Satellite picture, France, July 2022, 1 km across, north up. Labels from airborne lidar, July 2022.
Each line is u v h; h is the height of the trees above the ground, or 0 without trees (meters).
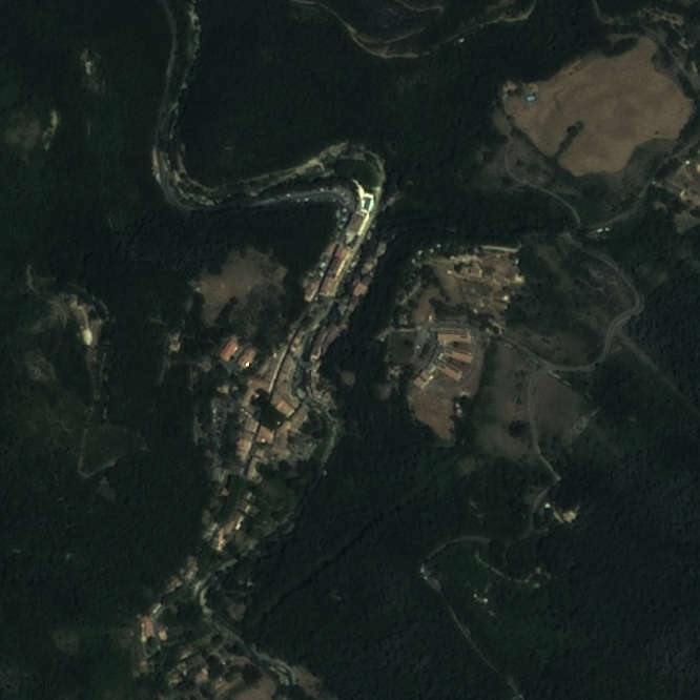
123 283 19
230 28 11
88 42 8
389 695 11
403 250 12
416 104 9
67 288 14
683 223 0
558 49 19
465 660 11
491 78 18
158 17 11
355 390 8
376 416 10
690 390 9
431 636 11
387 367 7
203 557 21
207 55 11
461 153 10
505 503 6
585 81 0
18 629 20
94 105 13
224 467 12
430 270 10
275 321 6
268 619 20
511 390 0
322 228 8
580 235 13
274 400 0
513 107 0
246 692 0
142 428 19
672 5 9
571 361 6
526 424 7
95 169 14
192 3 7
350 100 10
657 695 9
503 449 0
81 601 21
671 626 18
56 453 14
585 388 7
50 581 24
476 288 0
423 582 13
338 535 10
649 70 0
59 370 8
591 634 12
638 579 20
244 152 10
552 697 19
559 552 19
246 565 8
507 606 9
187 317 11
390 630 16
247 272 0
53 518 10
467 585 8
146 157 13
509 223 9
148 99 9
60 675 17
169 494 15
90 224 16
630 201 8
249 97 10
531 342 0
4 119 6
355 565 14
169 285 13
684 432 10
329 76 7
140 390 22
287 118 17
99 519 9
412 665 10
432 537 9
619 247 6
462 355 0
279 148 8
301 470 22
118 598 14
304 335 0
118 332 18
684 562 19
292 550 21
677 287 13
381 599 15
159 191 16
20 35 16
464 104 20
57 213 22
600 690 17
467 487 9
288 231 14
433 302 9
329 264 0
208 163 6
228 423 10
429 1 6
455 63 16
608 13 8
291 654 20
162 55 9
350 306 0
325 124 15
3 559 16
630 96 0
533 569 8
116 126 11
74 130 8
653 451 10
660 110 0
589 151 0
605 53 8
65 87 6
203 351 14
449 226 16
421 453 14
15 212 17
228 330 12
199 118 8
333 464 11
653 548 23
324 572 11
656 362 14
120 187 12
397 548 15
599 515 15
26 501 16
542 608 7
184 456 22
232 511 23
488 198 13
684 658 14
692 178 0
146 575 16
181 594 24
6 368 13
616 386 10
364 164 25
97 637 7
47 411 0
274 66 9
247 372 11
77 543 12
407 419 9
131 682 7
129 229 14
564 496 10
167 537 15
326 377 13
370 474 7
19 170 7
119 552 17
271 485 0
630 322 8
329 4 5
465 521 14
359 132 13
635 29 10
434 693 18
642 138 0
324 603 20
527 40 9
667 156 7
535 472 10
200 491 16
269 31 7
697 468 8
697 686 15
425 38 7
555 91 0
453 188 7
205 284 0
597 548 20
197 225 8
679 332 12
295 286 13
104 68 9
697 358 16
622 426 12
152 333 19
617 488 14
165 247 24
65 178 9
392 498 7
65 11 18
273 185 12
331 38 12
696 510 16
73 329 7
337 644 14
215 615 13
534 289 7
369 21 9
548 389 0
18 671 18
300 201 6
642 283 13
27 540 16
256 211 9
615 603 19
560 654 12
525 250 9
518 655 10
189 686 13
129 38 10
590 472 8
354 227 0
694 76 0
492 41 21
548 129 0
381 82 9
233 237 17
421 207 8
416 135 15
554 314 9
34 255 10
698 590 20
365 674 10
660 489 12
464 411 8
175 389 19
